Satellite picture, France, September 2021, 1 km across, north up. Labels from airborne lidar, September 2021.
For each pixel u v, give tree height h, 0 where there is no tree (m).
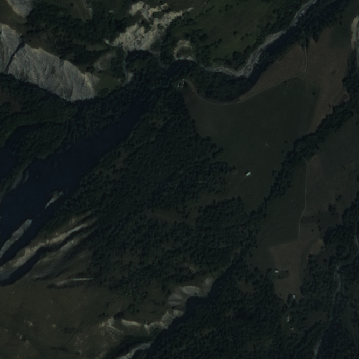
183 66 18
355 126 0
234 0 0
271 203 10
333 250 0
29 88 6
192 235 12
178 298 0
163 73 13
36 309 0
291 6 10
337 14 14
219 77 10
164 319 0
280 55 9
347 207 0
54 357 0
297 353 12
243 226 15
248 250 10
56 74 0
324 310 12
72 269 0
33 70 0
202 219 11
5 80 9
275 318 12
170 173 6
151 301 6
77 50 10
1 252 0
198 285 0
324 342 13
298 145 13
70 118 9
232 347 11
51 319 0
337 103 0
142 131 14
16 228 0
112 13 8
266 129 0
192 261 6
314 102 0
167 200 12
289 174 16
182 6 0
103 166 10
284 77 0
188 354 9
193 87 0
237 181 0
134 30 0
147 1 0
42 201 0
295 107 0
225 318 10
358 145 0
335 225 0
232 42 0
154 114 11
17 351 0
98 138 14
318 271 9
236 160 0
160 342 9
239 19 0
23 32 0
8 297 0
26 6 0
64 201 16
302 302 12
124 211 6
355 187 0
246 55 11
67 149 11
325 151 0
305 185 0
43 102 13
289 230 0
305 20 8
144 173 14
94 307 0
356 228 12
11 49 0
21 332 0
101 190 11
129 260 0
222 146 0
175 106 11
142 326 0
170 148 15
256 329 14
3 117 6
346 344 6
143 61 13
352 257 9
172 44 8
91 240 12
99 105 12
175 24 13
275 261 0
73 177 0
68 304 0
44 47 0
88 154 9
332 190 0
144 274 7
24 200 0
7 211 0
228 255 13
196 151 14
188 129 15
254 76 0
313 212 0
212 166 12
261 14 0
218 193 8
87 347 0
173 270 8
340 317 11
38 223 0
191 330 12
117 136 10
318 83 0
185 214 11
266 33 10
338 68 0
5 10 0
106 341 0
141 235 6
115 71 11
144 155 8
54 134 8
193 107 0
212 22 0
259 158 0
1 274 0
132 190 10
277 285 0
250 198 0
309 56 0
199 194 9
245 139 0
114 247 7
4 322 0
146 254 11
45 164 0
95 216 9
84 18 0
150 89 13
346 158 0
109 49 11
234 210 14
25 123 7
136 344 8
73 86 0
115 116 14
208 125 0
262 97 0
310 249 0
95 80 0
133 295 9
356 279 16
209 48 12
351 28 0
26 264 0
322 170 0
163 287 9
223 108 0
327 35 0
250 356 11
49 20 12
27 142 14
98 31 6
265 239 0
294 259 0
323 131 12
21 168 9
